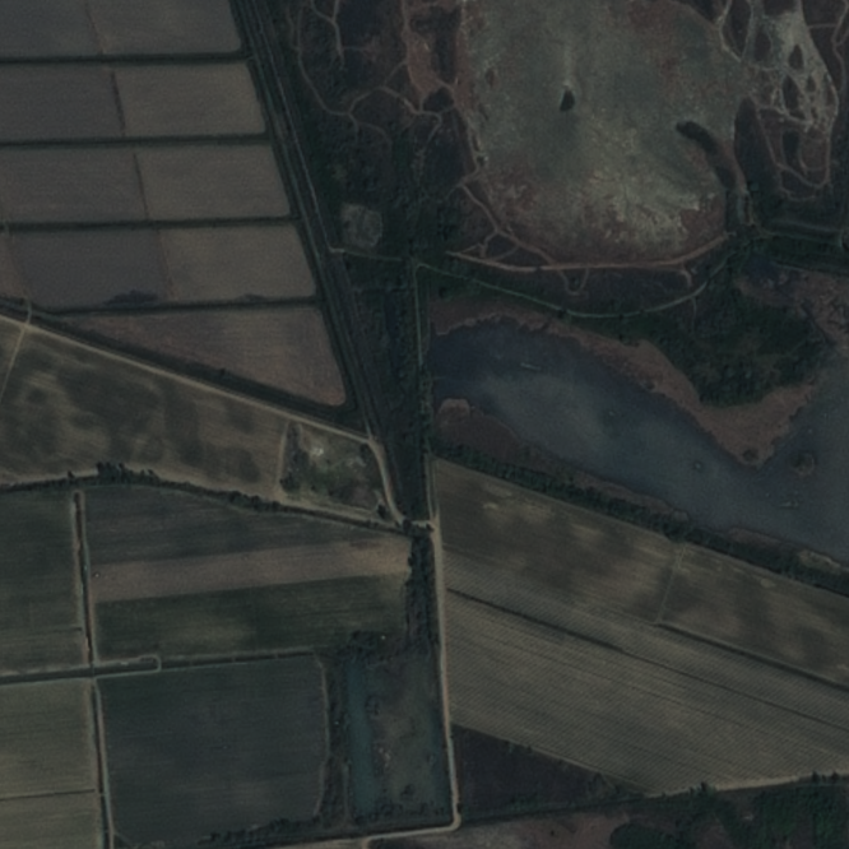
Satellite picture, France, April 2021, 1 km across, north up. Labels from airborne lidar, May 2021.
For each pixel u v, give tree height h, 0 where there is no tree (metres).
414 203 6
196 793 0
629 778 0
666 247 0
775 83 0
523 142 0
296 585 0
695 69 0
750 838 6
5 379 0
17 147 0
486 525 0
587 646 0
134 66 0
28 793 0
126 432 0
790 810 8
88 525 0
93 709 0
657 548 0
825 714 0
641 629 0
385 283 8
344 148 6
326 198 6
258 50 6
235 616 0
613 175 0
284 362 0
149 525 0
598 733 0
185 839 0
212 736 0
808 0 0
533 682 0
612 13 0
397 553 0
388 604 0
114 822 0
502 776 0
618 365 0
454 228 10
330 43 5
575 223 0
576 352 0
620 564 0
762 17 0
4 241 0
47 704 0
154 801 0
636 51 0
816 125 0
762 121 0
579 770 0
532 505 0
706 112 0
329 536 0
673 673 0
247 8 5
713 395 6
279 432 0
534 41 0
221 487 0
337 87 8
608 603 0
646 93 0
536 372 0
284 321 0
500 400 0
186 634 0
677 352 8
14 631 0
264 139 0
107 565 0
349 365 0
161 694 0
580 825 0
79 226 0
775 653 0
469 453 11
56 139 0
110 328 0
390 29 0
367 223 0
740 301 15
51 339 0
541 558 0
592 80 0
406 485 0
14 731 0
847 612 0
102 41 0
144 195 0
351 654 6
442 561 0
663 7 0
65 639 0
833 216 7
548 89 0
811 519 0
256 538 0
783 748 0
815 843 6
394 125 9
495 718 0
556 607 0
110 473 15
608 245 0
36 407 0
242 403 0
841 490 0
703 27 0
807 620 0
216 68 0
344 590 0
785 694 0
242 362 0
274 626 0
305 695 0
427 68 0
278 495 0
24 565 0
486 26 0
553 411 0
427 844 0
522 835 0
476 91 0
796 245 6
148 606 0
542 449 0
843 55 0
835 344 0
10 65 0
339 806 9
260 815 0
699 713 0
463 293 6
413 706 0
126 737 0
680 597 0
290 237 0
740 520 0
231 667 0
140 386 0
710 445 0
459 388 0
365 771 0
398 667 0
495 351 0
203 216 0
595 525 0
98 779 0
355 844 0
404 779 0
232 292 0
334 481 0
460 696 0
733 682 0
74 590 0
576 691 0
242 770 0
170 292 0
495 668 0
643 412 0
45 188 0
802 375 9
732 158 0
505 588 0
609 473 0
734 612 0
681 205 0
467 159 0
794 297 0
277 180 0
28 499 0
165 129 0
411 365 12
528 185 0
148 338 0
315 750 0
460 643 0
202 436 0
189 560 0
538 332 0
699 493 0
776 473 0
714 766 0
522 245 0
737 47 0
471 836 0
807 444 0
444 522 0
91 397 0
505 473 9
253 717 0
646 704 0
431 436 8
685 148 0
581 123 0
